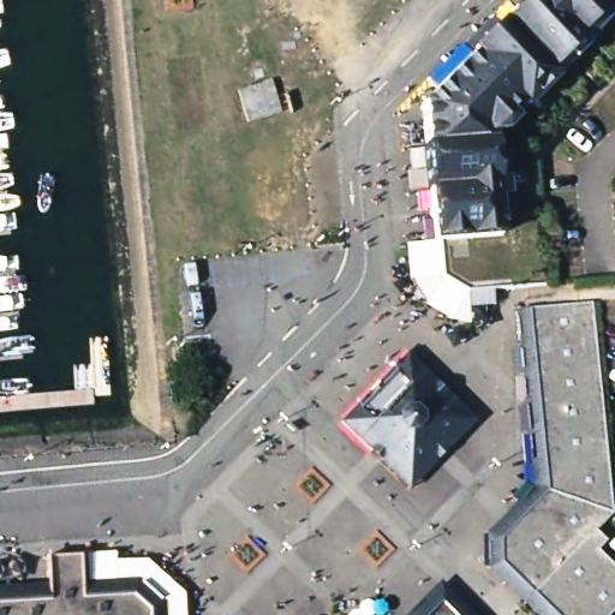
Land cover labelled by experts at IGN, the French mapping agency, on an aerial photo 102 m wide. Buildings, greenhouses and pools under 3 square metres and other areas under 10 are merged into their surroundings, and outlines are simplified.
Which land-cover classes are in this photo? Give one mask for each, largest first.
<instances>
[{"label":"impervious surface","instance_id":"1","mask_svg":"<svg viewBox=\"0 0 615 615\"><path fill-rule=\"evenodd\" d=\"M94 22L96 82L103 120L111 226L115 240L118 298L127 356L125 365L132 392V411L125 418H96L89 406L0 413V581L48 579L53 577V557H60L62 550L86 553V545L98 541L106 545L108 553H118L120 557H144L156 562L168 577H173L185 589L187 615H408L423 601V596L430 593L437 584L444 586V596L464 615H541L531 603H526L524 593L495 565L483 562V536L517 502L514 488L521 485V471L526 461L521 432V401L517 399L519 375L512 372L509 358L512 344L519 341L512 320L502 315L507 291H497L495 303L473 305L471 322L447 317L437 308H430L423 298H416V281L411 279L408 269V245L413 240H430L432 235L442 233L440 190L432 178L437 171V154L432 142L435 113L430 101L435 67L447 62L452 48H456L459 43L473 48V43L485 41V34L490 29L500 24L504 26V17L514 12L517 0H413L408 7L392 12L389 22L380 24L372 34L380 43L389 48L392 38L401 31L413 43L408 53L396 62V67L389 74L372 77L370 82L356 84L353 89H346L339 79L332 98L336 108L334 130L341 207L339 226H327L322 231L327 245L320 250L308 247L276 255H271L269 250L262 252L259 247L245 243L243 255L228 259L214 257L211 262L197 259L183 267L185 281L180 283L178 293L183 341L187 344L211 339L221 346V356L231 363L228 394L211 411V418L202 425L199 435H187L190 413L180 411L171 401L166 365L161 341L163 327L154 322L149 291V269L156 264V255L149 214L151 192L149 171L144 161V127L135 84L130 0H89ZM416 346H428L449 370L464 375L468 389L490 408V418L425 483H413V478L404 480L389 466L387 454L377 456L372 452V444H365V440L351 425V411L358 408L363 399L380 387L384 375L392 368H396ZM166 12L173 17L187 12L192 7V0H163ZM584 96L591 98L589 108H593V113L603 120L605 135H596L591 123L577 120L567 132V139L586 154L584 171L577 175L574 185V209L584 219L586 238L581 245V255L572 259L569 276H605L615 269V74L605 82L596 77L584 86ZM245 120H257L279 113L276 86L274 82H267L240 91ZM603 550L615 560V514L603 524Z\"/></svg>","mask_w":615,"mask_h":615},{"label":"building","instance_id":"2","mask_svg":"<svg viewBox=\"0 0 615 615\"><path fill-rule=\"evenodd\" d=\"M589 46H596L598 50L601 46H615V0H517L514 12L504 17V26L500 24L490 29L485 34V41L473 43V48L459 43L456 48H452L447 62L435 67L430 101L435 113L432 142L437 154V171L432 178L440 190L442 233L432 235L430 240H413L408 245V269L411 279L416 281V298H423L430 308H437L447 317L471 322L473 305L495 303L497 291L490 281H476L466 286L449 276L444 267L442 245L504 235V231L497 226L492 207V173L507 168V159L500 154V149L504 147V127H512L526 115L521 103H541V96L555 84V79L565 74L567 65L562 60L569 53L581 55ZM519 341L512 344L509 358L512 372L519 375L517 399L521 401V432L526 461L521 471V485L514 488L517 502L483 536V562L495 565L524 593L526 603H531L541 615H615V560L603 550V524L615 514V483L605 392L601 375L596 300L581 298L579 303L553 300L545 305H531L526 310H519V317L512 320ZM351 425L365 440V444H372V452L377 456L387 454L389 466L404 480L413 478V483H425L490 418V408L468 389L464 375L449 370L428 346H416L396 368H392L384 375L380 387L363 399L358 408L351 411ZM0 615H187L185 589L173 577H168L156 562L144 557H120L118 553H108L106 545L98 541L86 545V553L62 550L60 557H53V577L48 579L0 581ZM408 615H464L444 596V586L437 584L430 593L423 596V601Z\"/></svg>","mask_w":615,"mask_h":615},{"label":"herbaceous vegetation","instance_id":"3","mask_svg":"<svg viewBox=\"0 0 615 615\"><path fill-rule=\"evenodd\" d=\"M135 84L144 127V161L149 171L151 192L149 214L156 255V264L149 269V291L154 322L163 327L161 341L166 365L178 358V353L187 344L183 341L178 293L180 283L185 281L183 267L197 259L211 262L214 257L228 259L243 255L245 243L259 247L262 252L269 250L267 221L257 216L255 202L250 199V185L255 183V178L250 175L245 159L252 151L264 149H274V154L288 156L293 142L286 135V130H303L305 125L320 123V127L327 132L334 130L336 108L332 98L339 79L336 70L327 62V58H322V46L312 31V24L298 22L291 14L279 12L276 5L264 0H192V7L187 12L173 17L166 12L163 0H130ZM267 82H274L276 86L279 113L257 120H245L240 91ZM413 0H375L358 17L356 24L368 36L372 34L380 24L389 22L392 12L408 7ZM598 50L596 46H589L581 55L569 53L562 60L567 65L565 74L555 79V84L541 96V103H521L526 115L512 127H504V147L500 149V154L507 159V168L492 173V207L497 226L504 231V235L442 245L444 267L449 276L466 286L476 281H545L543 264L548 262L553 247H538V214L550 211L553 221L560 228L577 231L586 238L584 219L574 209V185L577 175L584 171L586 154L567 139L555 144L548 132H543L536 125V120L541 113L550 111L560 94L579 79V74L591 70ZM601 375L605 392L615 483V298L596 300Z\"/></svg>","mask_w":615,"mask_h":615},{"label":"water","instance_id":"4","mask_svg":"<svg viewBox=\"0 0 615 615\"><path fill-rule=\"evenodd\" d=\"M127 356L118 298L115 240L111 226L103 120L96 82L94 22L89 0H0V413L89 406L96 418H125L132 411V392L125 365Z\"/></svg>","mask_w":615,"mask_h":615},{"label":"pervious surface","instance_id":"5","mask_svg":"<svg viewBox=\"0 0 615 615\"><path fill-rule=\"evenodd\" d=\"M276 5L279 12L291 14L298 22L312 24V31L322 46V58H327V62L336 70L339 79L346 89H353L356 84L370 82L372 77L389 74L396 67V62L408 53L413 43L401 31L392 38L389 48L380 43L372 34L368 36L356 24L358 17L375 0H264ZM286 135L293 142L288 156L274 154V149H264L252 151L245 159L250 175L255 178V183L250 185V199L255 202L257 216L267 221L269 250L271 255H276L308 247L320 250L327 245L322 231L327 226H339L341 207L334 130L327 132L320 127V123L305 125L303 130H286ZM497 291H507L502 315L512 320L519 317V310H526L531 305H545L553 300L579 303L581 298L596 300L615 298V288H574L569 283L550 286L545 281H490Z\"/></svg>","mask_w":615,"mask_h":615},{"label":"brushwood","instance_id":"6","mask_svg":"<svg viewBox=\"0 0 615 615\"><path fill-rule=\"evenodd\" d=\"M615 74V46H601L598 50L591 70L579 74V79L560 94L550 111L541 113L536 120V125L543 132H548L555 144L567 139V132L577 120L591 123L596 135H605L603 120L593 113V108H589L591 98L584 96V86L596 77L605 82ZM538 247H553L548 262L543 264L545 281L550 286L569 283L574 288H615V269L605 276H569L572 259L581 255V245L586 238L577 231L560 228L553 221L550 211L538 214Z\"/></svg>","mask_w":615,"mask_h":615},{"label":"deciduous trees","instance_id":"7","mask_svg":"<svg viewBox=\"0 0 615 615\"><path fill-rule=\"evenodd\" d=\"M171 401L180 411L190 413L187 435H199L202 425L211 418V411L228 394L231 363L221 356V346L211 339L187 344L178 353V358L166 365Z\"/></svg>","mask_w":615,"mask_h":615}]
</instances>
